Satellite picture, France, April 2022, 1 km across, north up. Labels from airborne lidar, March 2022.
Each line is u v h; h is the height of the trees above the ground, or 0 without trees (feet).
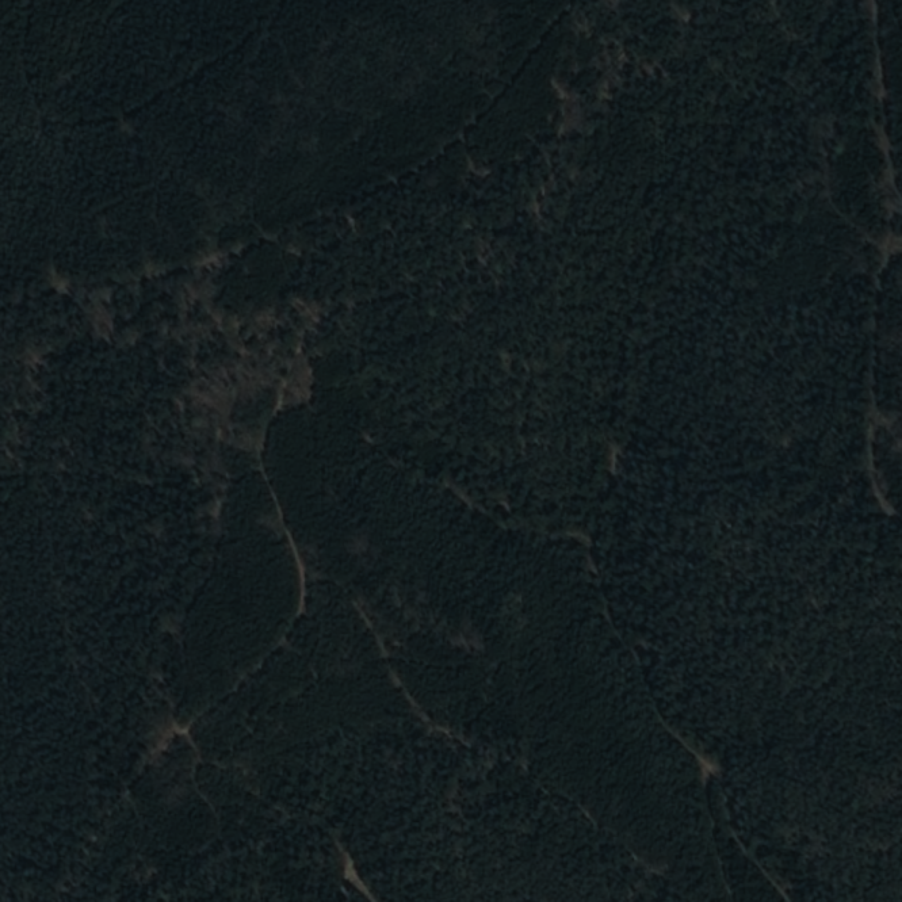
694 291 30
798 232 23
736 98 80
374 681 36
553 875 81
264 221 51
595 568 38
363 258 91
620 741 46
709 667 97
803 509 26
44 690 68
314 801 48
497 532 55
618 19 90
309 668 50
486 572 47
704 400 67
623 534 43
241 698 44
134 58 66
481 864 69
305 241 31
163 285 42
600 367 115
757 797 105
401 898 74
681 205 108
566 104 42
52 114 74
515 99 57
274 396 57
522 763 111
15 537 94
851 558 79
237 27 47
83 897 87
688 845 41
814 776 84
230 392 96
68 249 75
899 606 73
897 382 65
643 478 109
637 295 126
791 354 84
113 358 100
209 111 72
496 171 30
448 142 39
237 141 75
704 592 107
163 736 42
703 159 83
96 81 62
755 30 91
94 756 103
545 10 52
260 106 74
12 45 83
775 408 106
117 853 28
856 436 22
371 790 84
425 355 88
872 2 77
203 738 45
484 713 40
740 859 57
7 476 88
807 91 119
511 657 43
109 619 87
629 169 98
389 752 102
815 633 80
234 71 64
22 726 61
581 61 42
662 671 124
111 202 84
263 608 55
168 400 90
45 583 78
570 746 68
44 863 64
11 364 86
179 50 58
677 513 95
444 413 26
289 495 59
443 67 54
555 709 49
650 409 97
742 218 100
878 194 29
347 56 60
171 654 46
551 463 91
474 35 52
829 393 97
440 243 98
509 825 92
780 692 51
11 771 72
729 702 92
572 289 54
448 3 53
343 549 63
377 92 53
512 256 97
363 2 69
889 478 41
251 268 34
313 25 64
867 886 87
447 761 37
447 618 63
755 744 102
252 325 45
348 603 48
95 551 83
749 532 72
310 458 59
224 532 80
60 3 40
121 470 20
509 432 71
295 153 59
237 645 54
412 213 86
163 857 49
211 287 55
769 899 47
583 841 55
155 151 77
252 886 87
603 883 75
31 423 98
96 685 94
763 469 97
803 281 20
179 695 41
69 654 79
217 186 52
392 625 55
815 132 60
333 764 67
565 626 34
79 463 97
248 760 45
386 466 62
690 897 23
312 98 59
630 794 44
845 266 40
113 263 79
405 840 66
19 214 83
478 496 140
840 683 75
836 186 45
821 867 89
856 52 111
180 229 61
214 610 67
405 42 68
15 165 81
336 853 118
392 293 81
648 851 26
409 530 50
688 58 32
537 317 84
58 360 38
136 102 79
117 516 33
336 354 24
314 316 94
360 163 40
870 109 110
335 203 58
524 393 83
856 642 67
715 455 99
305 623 49
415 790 29
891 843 71
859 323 37
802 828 59
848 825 67
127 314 88
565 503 32
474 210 98
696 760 53
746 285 102
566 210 102
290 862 46
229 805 34
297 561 37
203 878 103
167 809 47
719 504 83
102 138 68
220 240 46
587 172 84
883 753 83
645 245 52
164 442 88
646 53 82
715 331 90
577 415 19
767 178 109
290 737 29
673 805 52
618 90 83
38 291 80
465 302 92
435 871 61
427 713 33
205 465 52
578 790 35
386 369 97
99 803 88
